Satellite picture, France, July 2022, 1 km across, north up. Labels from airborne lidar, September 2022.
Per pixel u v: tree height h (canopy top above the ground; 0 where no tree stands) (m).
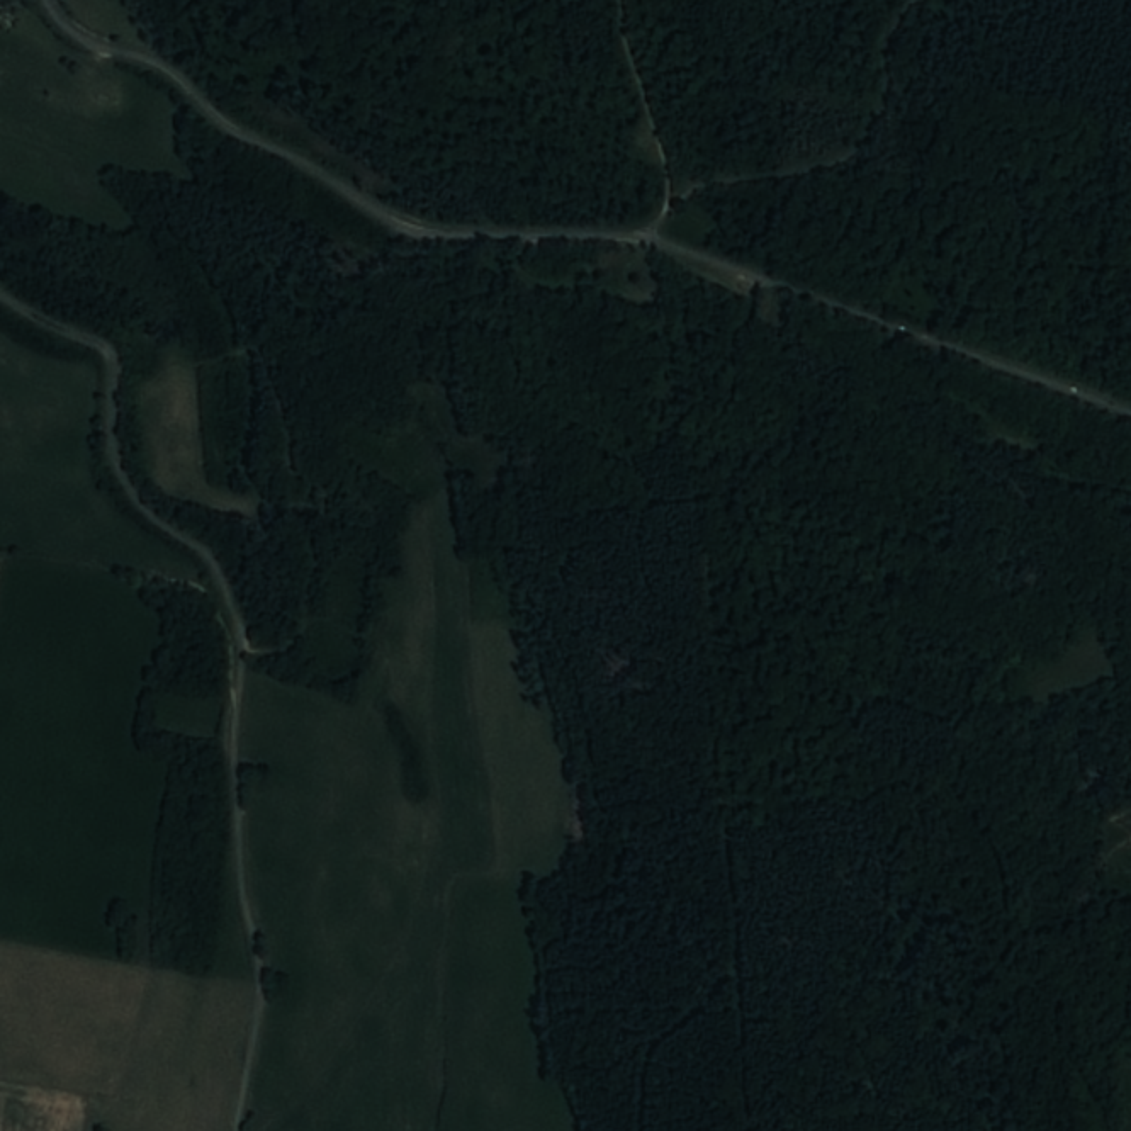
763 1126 23
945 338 18
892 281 18
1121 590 16
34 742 0
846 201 20
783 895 19
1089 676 0
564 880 11
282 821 0
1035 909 6
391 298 19
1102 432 18
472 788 0
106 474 5
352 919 0
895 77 14
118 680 0
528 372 18
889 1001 23
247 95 11
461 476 18
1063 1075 11
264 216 26
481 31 16
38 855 0
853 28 26
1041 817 14
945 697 9
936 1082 23
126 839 0
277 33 28
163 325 7
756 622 20
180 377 0
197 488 0
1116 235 17
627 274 0
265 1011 0
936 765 23
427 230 0
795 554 14
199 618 18
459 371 22
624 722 14
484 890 0
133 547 0
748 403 14
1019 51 18
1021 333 15
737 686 24
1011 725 22
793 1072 22
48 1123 0
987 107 22
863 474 20
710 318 17
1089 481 9
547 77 17
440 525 0
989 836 18
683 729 18
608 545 23
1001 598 20
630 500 20
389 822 0
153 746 17
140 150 0
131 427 14
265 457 15
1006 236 15
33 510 0
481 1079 0
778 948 22
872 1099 23
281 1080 0
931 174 21
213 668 19
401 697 0
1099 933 17
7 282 16
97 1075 0
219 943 9
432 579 0
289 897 0
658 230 0
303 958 0
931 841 20
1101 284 21
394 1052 0
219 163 31
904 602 17
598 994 16
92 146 0
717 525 22
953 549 24
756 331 17
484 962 0
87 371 0
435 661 0
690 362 23
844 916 19
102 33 0
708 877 23
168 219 20
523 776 0
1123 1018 8
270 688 0
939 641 17
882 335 11
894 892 30
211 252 17
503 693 0
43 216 19
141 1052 0
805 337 19
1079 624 18
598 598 19
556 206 18
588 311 20
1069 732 19
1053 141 21
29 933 0
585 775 20
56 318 14
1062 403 15
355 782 0
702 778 20
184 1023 0
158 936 10
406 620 0
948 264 20
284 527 20
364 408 17
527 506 21
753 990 17
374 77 21
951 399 20
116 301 12
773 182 9
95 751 0
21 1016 0
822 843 20
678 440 18
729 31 18
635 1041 17
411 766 8
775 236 20
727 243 8
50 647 0
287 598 9
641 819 21
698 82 24
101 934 0
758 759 17
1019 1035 19
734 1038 25
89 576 0
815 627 18
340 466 14
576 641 17
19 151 0
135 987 0
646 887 23
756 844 23
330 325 21
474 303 16
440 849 0
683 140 10
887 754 19
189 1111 0
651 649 21
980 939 7
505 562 12
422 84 29
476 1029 0
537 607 22
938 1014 8
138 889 0
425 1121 0
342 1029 0
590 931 19
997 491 21
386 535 13
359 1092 0
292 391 19
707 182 15
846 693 17
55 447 0
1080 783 13
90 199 0
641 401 19
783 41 21
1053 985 14
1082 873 16
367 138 24
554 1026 22
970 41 17
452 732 0
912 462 15
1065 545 20
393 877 0
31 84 0
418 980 0
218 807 9
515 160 22
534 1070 0
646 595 27
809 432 16
